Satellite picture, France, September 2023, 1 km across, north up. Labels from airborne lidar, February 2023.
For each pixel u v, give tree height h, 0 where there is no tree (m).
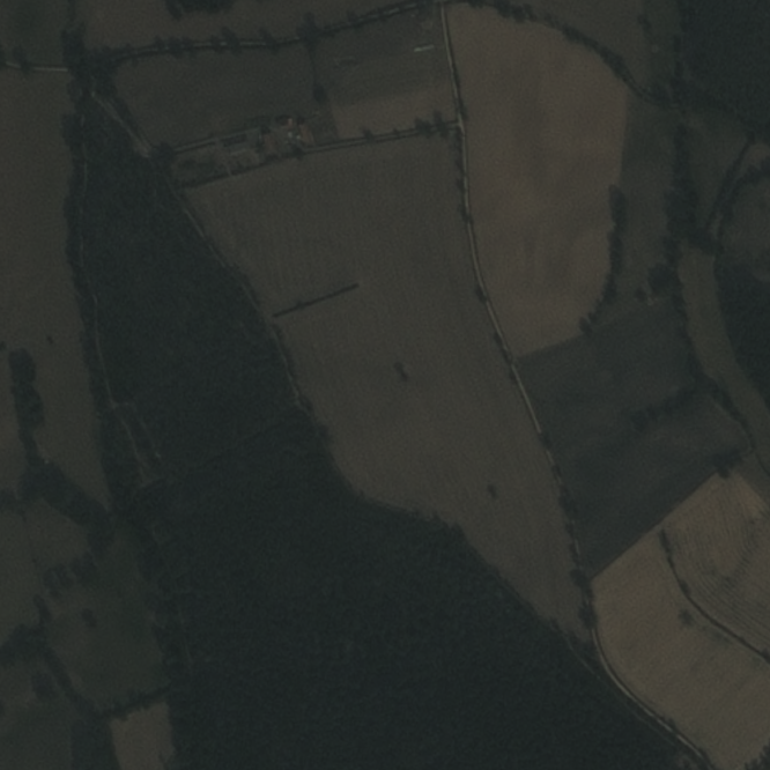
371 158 0
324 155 0
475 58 0
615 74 11
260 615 18
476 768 24
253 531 11
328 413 0
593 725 22
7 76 0
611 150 0
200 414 23
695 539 0
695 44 26
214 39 0
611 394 0
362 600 20
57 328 0
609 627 0
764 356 19
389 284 0
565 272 0
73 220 17
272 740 22
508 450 0
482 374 0
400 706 25
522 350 0
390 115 0
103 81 22
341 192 0
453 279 0
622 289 0
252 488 16
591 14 0
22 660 18
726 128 0
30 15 0
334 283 0
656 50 0
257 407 22
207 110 0
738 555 0
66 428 0
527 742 23
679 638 0
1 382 0
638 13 0
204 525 21
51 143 0
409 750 27
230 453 6
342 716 20
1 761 0
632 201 0
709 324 0
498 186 0
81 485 0
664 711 0
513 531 0
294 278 0
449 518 0
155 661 0
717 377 0
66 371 0
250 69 0
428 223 0
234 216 0
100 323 23
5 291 0
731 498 0
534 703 23
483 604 16
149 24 0
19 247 0
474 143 0
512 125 0
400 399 0
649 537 0
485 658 19
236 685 21
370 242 0
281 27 0
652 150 0
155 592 0
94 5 0
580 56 0
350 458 0
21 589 0
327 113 0
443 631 18
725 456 0
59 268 0
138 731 0
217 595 23
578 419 0
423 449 0
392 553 17
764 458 0
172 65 0
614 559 0
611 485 0
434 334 0
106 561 0
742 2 21
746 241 0
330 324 0
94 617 11
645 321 0
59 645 0
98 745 24
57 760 0
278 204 0
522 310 0
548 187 0
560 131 0
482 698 25
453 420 0
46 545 0
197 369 22
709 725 0
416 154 0
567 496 13
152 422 24
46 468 16
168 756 0
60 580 20
